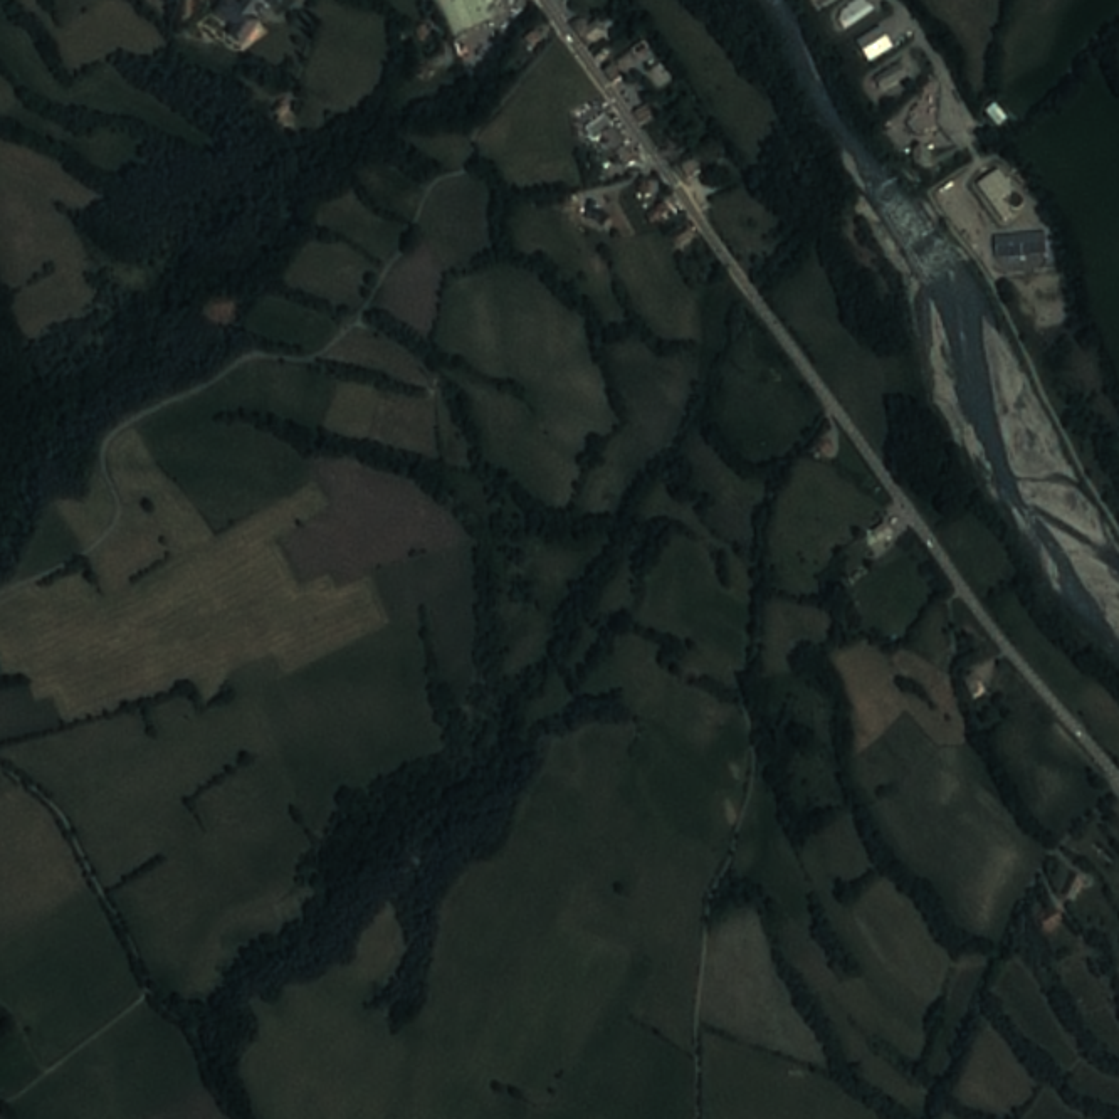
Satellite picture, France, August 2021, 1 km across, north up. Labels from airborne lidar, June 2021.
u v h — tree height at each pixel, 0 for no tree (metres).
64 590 0
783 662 0
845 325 15
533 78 0
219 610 0
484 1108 0
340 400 0
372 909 14
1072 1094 17
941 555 0
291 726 0
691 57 0
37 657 0
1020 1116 9
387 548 0
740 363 0
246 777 0
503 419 0
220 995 13
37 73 0
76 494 13
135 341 21
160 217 19
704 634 0
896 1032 0
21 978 0
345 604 0
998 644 0
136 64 15
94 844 0
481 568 6
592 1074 0
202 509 0
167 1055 0
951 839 0
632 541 19
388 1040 0
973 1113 11
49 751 0
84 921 0
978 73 0
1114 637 0
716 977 0
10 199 0
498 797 19
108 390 21
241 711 0
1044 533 0
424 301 0
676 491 13
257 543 0
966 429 0
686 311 0
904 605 0
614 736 0
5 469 21
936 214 0
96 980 0
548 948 0
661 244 0
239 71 10
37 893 0
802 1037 0
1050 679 0
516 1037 0
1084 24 0
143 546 0
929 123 0
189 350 23
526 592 13
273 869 0
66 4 0
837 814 10
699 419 10
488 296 0
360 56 0
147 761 0
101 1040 0
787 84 13
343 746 0
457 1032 0
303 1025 0
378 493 0
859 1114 0
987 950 17
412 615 0
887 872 15
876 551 0
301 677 0
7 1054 0
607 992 0
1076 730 0
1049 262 0
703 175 7
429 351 18
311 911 18
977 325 0
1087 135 0
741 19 9
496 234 13
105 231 23
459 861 16
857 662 0
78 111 15
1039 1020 0
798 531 0
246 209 33
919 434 20
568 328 0
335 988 0
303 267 0
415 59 13
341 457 12
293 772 0
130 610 0
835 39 0
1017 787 12
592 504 0
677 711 0
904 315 8
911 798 0
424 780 18
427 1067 0
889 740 0
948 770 0
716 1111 0
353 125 18
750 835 0
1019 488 0
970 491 17
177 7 13
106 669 0
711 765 0
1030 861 0
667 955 0
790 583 0
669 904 0
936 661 0
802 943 0
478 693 9
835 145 13
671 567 0
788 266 13
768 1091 0
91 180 18
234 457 0
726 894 10
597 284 0
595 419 0
